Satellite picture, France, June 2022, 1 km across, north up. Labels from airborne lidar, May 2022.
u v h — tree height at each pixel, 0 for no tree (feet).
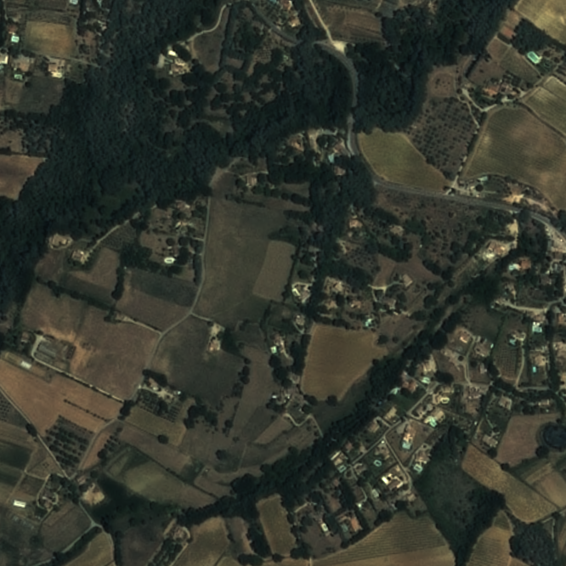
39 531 0
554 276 38
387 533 0
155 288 0
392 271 0
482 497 34
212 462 0
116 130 56
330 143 33
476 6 58
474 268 0
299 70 75
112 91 22
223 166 48
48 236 46
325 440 46
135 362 0
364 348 0
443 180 0
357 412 38
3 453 0
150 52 88
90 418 0
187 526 38
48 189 73
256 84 50
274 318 0
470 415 18
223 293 0
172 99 52
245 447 0
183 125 37
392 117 37
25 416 0
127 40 39
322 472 59
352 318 33
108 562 0
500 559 0
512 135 0
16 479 0
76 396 0
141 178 66
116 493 0
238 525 0
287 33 0
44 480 0
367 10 0
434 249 19
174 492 0
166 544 38
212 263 0
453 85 0
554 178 0
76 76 0
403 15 84
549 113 0
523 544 51
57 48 0
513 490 0
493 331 0
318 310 46
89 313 0
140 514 0
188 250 20
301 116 66
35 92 0
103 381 0
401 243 55
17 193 0
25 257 92
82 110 54
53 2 0
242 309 0
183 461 0
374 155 0
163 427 0
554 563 40
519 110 0
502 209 0
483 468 0
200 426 0
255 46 46
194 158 79
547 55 25
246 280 0
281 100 60
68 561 36
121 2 46
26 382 0
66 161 49
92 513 0
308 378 0
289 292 27
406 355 54
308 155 26
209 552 0
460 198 0
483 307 0
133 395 0
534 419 0
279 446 0
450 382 55
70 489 37
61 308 0
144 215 29
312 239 26
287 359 0
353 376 0
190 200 41
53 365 0
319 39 63
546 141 0
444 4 49
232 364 0
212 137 64
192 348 0
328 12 0
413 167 0
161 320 0
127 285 0
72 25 0
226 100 55
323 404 0
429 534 0
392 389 33
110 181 73
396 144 0
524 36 42
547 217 20
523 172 0
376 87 80
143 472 0
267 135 90
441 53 64
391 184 0
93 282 0
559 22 0
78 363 0
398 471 0
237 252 0
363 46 34
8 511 0
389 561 0
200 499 0
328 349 0
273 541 0
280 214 0
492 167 0
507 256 23
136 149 69
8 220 54
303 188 0
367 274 31
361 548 0
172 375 0
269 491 65
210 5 35
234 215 0
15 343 38
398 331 0
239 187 44
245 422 0
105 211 57
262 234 0
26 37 0
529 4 0
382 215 45
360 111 79
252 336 0
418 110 77
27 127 26
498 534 0
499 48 0
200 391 0
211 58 0
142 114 67
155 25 55
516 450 0
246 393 0
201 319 0
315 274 31
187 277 0
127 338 0
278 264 0
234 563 0
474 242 43
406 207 0
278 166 29
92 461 0
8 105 0
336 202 55
